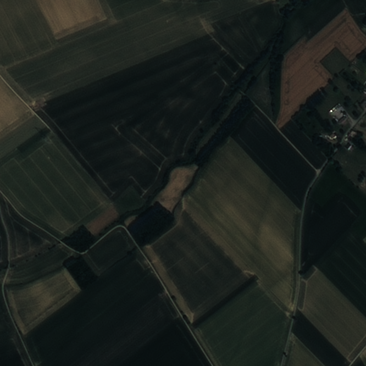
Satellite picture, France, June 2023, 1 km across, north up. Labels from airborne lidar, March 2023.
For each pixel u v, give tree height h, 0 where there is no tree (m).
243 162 0
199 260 0
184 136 0
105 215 0
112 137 0
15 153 0
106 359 0
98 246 0
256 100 0
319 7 0
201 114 0
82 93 0
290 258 0
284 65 0
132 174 0
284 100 0
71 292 0
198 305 0
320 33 0
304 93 0
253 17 0
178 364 0
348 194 0
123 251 0
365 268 0
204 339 0
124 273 0
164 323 0
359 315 0
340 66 0
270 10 0
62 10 0
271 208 0
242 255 0
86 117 0
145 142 0
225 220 0
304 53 0
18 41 0
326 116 0
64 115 0
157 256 0
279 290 0
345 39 0
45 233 0
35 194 0
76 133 0
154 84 0
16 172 0
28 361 0
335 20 0
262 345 0
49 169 0
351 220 0
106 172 0
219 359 0
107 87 0
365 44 0
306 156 0
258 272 0
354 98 0
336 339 0
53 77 0
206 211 0
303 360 0
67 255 0
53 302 0
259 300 0
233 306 0
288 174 0
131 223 0
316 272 0
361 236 0
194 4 0
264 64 0
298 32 0
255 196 0
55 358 0
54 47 0
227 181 0
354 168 0
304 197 0
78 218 0
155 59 0
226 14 0
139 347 0
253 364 0
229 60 0
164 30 0
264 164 0
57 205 0
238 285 0
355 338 0
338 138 9
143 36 0
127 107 0
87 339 0
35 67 0
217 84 0
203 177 0
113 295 0
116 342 0
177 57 0
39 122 0
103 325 0
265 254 0
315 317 0
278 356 0
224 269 0
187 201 0
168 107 0
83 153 0
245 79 19
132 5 0
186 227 0
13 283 0
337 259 0
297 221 0
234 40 0
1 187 0
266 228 0
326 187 0
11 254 0
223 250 0
